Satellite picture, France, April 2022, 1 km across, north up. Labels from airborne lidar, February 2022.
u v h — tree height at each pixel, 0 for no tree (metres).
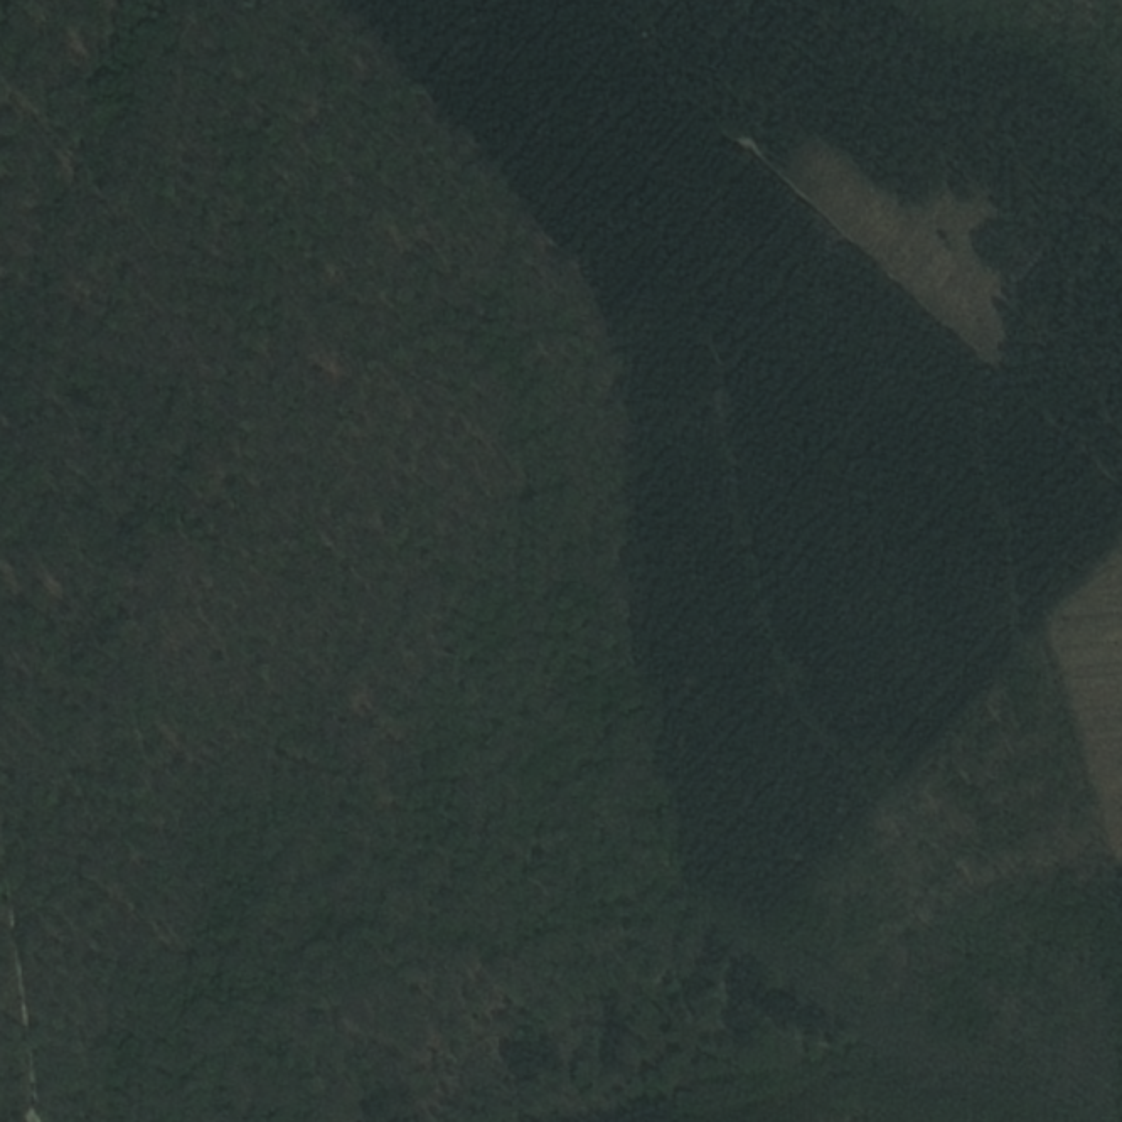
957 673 24
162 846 30
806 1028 23
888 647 27
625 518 30
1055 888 22
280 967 25
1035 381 29
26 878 26
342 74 28
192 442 24
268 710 27
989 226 0
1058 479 22
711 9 30
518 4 24
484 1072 22
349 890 28
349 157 27
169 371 26
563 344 27
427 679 24
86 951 25
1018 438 27
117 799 31
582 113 24
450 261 26
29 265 27
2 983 27
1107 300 33
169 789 27
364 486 26
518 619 27
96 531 27
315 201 28
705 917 25
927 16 18
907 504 22
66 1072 25
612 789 29
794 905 31
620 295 17
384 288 27
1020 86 29
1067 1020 24
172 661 28
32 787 28
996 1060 20
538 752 28
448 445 26
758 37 34
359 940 29
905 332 20
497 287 26
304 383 28
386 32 26
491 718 26
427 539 23
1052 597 25
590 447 27
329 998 27
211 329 27
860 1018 22
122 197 28
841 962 24
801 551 29
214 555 26
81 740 28
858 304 25
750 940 22
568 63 23
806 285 24
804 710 22
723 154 30
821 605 25
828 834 25
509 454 24
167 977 25
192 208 26
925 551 20
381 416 26
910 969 21
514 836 26
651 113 23
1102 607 0
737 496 23
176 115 28
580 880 28
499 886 29
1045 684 18
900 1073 17
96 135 25
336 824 29
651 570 23
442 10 21
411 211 28
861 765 24
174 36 25
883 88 32
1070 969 24
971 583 27
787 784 30
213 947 22
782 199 21
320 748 27
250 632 24
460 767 29
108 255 27
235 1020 26
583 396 28
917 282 0
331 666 21
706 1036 0
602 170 23
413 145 29
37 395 26
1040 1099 19
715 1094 16
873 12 33
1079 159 31
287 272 18
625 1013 24
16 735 30
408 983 33
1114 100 20
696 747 28
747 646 25
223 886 20
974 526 23
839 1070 13
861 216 0
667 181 26
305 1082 23
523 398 26
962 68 29
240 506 23
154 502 22
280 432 26
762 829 26
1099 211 29
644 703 18
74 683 28
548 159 20
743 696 30
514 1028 26
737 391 25
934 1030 20
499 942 17
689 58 27
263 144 24
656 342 28
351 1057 27
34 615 26
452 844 25
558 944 30
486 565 26
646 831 30
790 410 29
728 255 27
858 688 23
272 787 26
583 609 28
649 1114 22
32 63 28
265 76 27
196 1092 27
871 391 29
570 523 31
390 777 29
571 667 30
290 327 27
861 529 21
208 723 26
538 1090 22
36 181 28
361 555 23
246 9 26
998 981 24
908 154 29
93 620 15
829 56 29
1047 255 27
